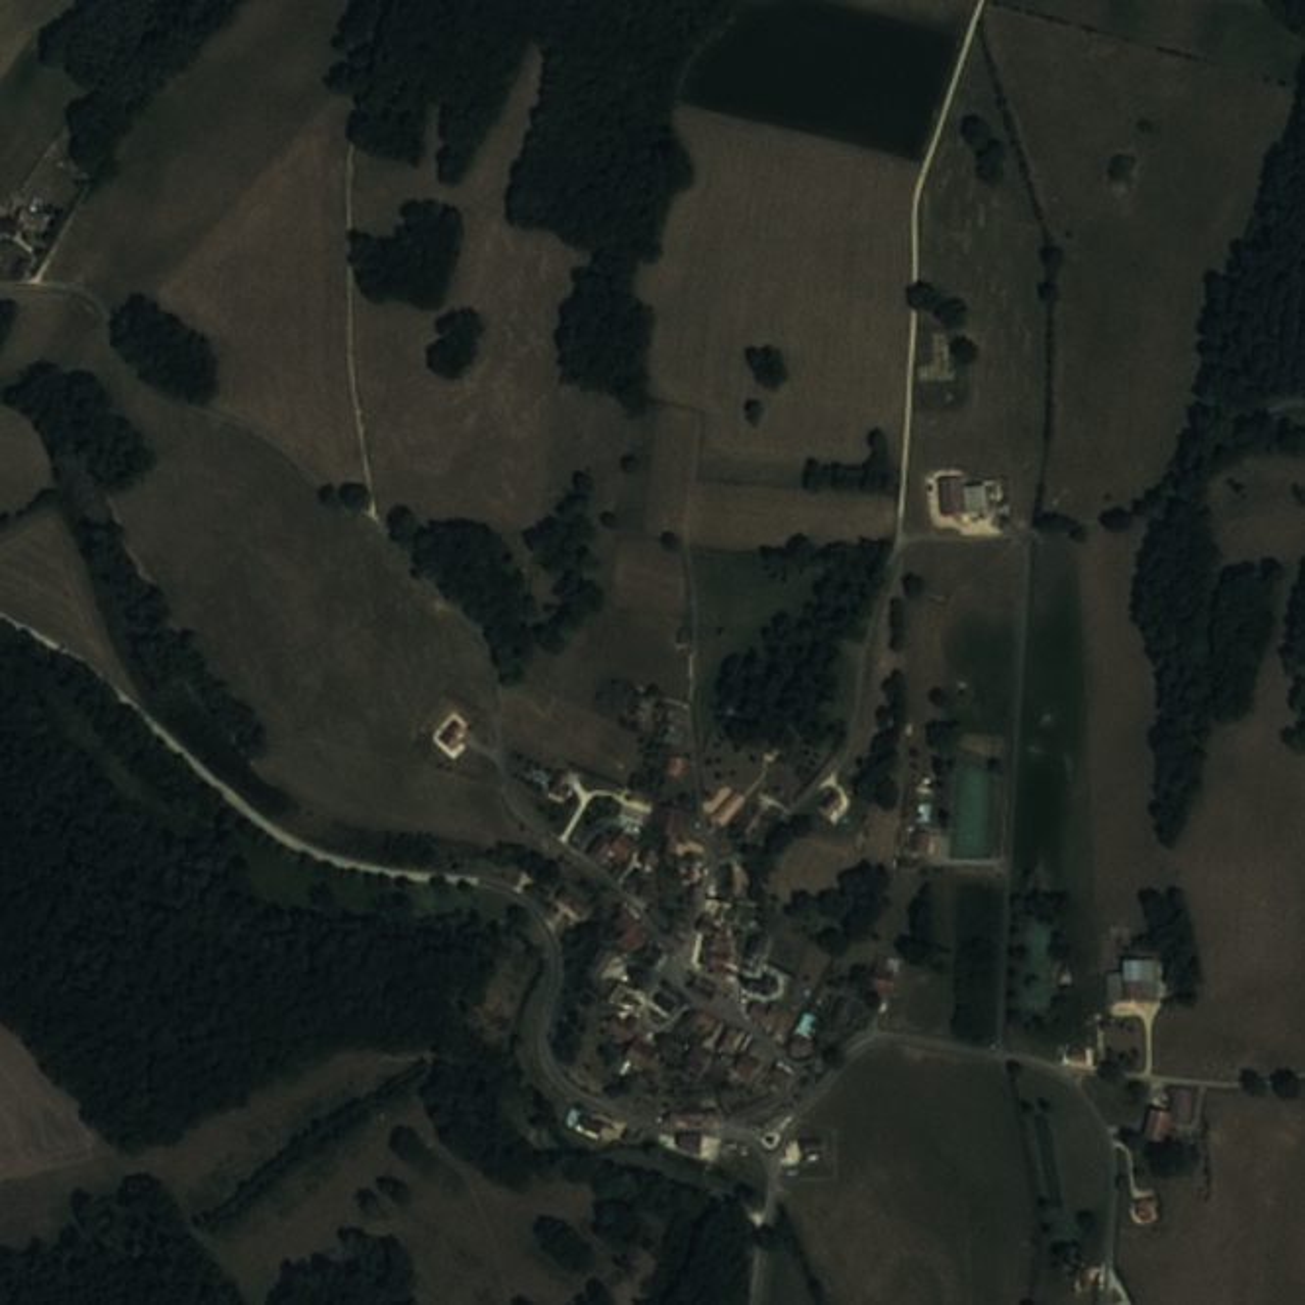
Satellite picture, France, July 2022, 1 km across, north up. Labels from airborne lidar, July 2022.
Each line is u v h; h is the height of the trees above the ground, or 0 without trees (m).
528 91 0
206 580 0
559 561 22
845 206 0
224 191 0
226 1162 0
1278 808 0
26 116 0
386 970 25
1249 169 0
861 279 0
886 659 0
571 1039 18
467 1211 0
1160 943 15
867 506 0
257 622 0
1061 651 0
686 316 0
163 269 0
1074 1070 0
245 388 0
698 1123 0
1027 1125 0
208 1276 18
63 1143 0
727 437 0
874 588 19
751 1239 13
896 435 0
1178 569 19
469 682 0
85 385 22
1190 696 20
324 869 12
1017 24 0
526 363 0
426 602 0
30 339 0
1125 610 0
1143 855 0
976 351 16
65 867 19
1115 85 0
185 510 0
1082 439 0
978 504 0
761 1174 0
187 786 23
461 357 18
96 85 19
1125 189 0
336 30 0
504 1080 6
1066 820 0
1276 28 0
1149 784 0
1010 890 0
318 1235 0
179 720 7
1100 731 0
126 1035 15
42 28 0
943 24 0
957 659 0
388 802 0
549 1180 14
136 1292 20
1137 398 0
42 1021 23
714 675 0
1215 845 0
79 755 16
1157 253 0
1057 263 15
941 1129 0
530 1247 0
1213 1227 0
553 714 0
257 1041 27
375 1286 16
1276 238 21
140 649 21
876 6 0
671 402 0
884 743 15
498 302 0
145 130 0
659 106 24
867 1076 0
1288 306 15
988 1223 0
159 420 0
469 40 23
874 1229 0
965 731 13
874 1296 0
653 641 0
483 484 0
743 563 0
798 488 0
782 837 17
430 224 17
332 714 0
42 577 0
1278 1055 0
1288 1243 0
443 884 17
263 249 0
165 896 29
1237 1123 0
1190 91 0
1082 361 0
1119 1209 0
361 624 0
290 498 0
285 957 24
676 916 8
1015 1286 0
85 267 0
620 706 0
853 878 14
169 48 23
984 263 0
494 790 0
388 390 0
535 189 21
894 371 0
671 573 0
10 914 27
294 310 0
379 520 0
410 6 22
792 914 14
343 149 0
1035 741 0
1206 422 25
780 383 15
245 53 0
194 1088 20
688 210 0
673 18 20
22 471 0
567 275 0
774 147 0
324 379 0
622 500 0
